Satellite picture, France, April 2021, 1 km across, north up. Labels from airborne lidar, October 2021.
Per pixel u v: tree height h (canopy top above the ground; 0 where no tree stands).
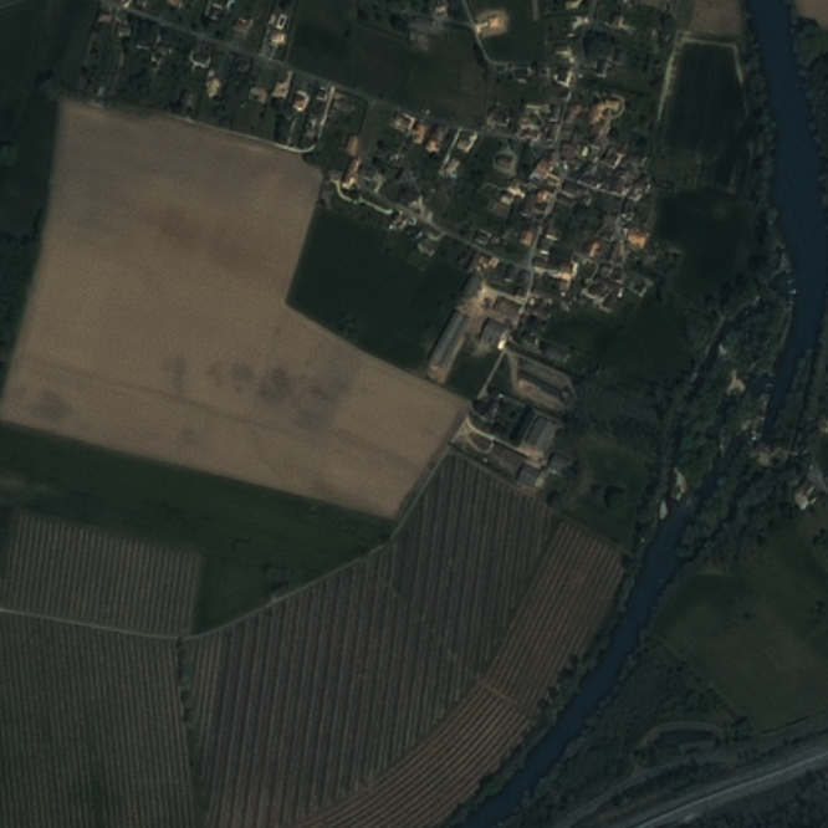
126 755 6
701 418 8
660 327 0
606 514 0
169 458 0
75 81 0
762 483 14
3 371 10
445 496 6
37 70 0
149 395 0
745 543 17
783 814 12
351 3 0
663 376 9
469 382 0
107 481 0
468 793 6
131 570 7
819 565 0
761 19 0
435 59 0
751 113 0
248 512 0
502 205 0
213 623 0
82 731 6
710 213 0
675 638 0
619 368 0
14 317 18
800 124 0
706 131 0
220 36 8
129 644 6
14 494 0
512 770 19
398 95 0
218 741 5
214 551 0
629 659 9
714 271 0
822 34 23
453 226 0
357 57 0
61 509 0
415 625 6
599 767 14
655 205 0
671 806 0
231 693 7
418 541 6
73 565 6
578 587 6
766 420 0
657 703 11
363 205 6
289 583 11
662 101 0
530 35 0
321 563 0
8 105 0
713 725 0
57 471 0
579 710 0
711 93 0
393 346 0
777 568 0
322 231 0
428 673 5
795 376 6
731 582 0
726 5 0
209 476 0
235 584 0
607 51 8
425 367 0
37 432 0
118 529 0
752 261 0
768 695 0
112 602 6
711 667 0
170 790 6
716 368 20
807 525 0
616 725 16
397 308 0
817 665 0
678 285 0
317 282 0
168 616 7
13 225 0
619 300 5
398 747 6
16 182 0
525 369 0
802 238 0
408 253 0
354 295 0
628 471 0
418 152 0
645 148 17
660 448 27
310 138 8
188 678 15
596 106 0
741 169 0
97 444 0
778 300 10
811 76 13
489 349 0
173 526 0
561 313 9
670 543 0
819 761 0
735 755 0
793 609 0
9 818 5
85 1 0
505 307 0
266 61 0
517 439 14
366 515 0
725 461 0
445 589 6
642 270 5
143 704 6
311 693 6
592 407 26
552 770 10
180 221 0
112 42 7
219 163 0
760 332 9
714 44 0
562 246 10
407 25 13
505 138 0
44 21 0
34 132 0
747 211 0
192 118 7
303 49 0
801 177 0
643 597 0
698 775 19
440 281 0
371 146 0
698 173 0
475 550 6
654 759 17
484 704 6
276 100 8
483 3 0
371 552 12
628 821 0
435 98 0
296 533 0
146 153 0
